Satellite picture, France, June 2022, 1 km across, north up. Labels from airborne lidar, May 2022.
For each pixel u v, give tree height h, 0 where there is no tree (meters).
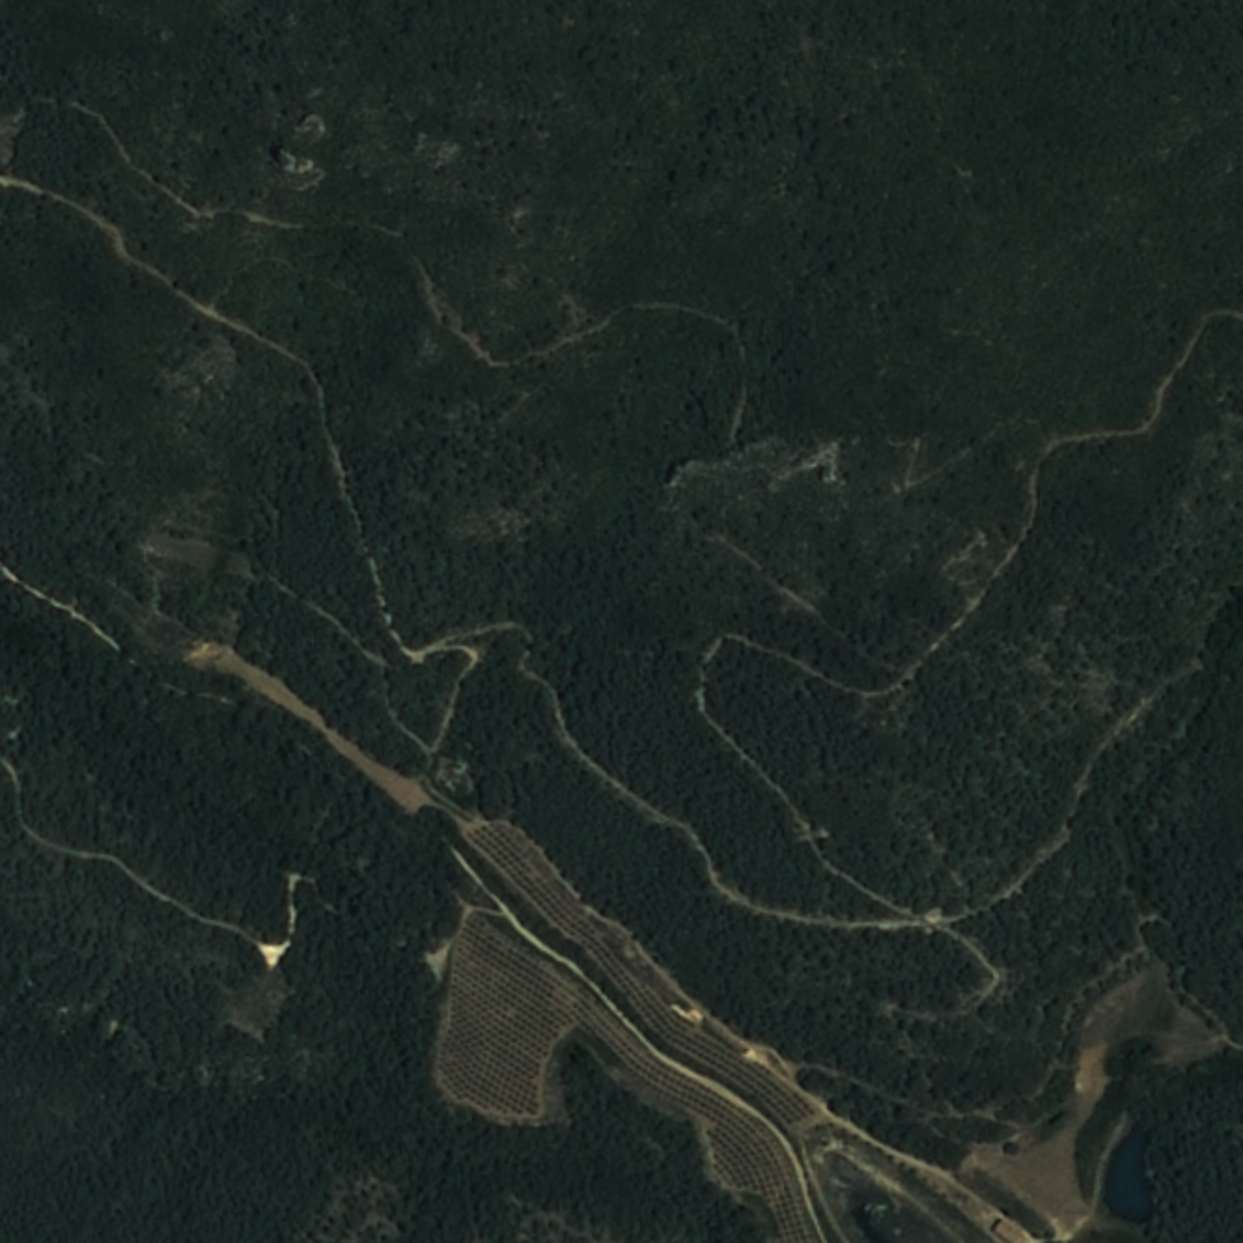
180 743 9
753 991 8
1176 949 9
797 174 7
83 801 12
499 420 11
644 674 6
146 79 6
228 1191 14
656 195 9
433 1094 8
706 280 6
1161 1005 0
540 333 6
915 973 7
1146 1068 14
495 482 13
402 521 8
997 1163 0
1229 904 13
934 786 11
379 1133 17
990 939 8
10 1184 13
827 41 7
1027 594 13
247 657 8
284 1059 10
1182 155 8
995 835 12
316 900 15
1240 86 13
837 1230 0
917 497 8
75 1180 13
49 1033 13
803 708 15
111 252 6
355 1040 16
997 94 7
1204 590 15
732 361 6
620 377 5
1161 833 6
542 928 9
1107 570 14
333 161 7
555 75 8
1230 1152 10
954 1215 0
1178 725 15
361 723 10
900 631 13
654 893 13
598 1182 13
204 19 6
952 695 13
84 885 8
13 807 9
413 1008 20
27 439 8
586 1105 17
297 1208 10
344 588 11
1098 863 13
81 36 7
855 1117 8
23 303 9
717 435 6
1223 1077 15
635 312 10
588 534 9
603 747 12
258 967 10
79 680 15
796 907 11
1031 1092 8
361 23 9
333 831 17
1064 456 6
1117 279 6
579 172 6
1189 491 15
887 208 6
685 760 8
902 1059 8
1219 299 10
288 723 11
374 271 10
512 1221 13
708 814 13
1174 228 8
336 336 8
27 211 15
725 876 7
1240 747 8
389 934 16
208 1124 13
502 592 16
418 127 7
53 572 13
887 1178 0
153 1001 14
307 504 14
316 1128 18
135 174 6
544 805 13
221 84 9
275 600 13
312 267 8
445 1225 14
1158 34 7
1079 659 10
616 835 11
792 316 6
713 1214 10
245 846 18
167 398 10
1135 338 6
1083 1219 0
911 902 10
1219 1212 14
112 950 11
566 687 10
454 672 6
